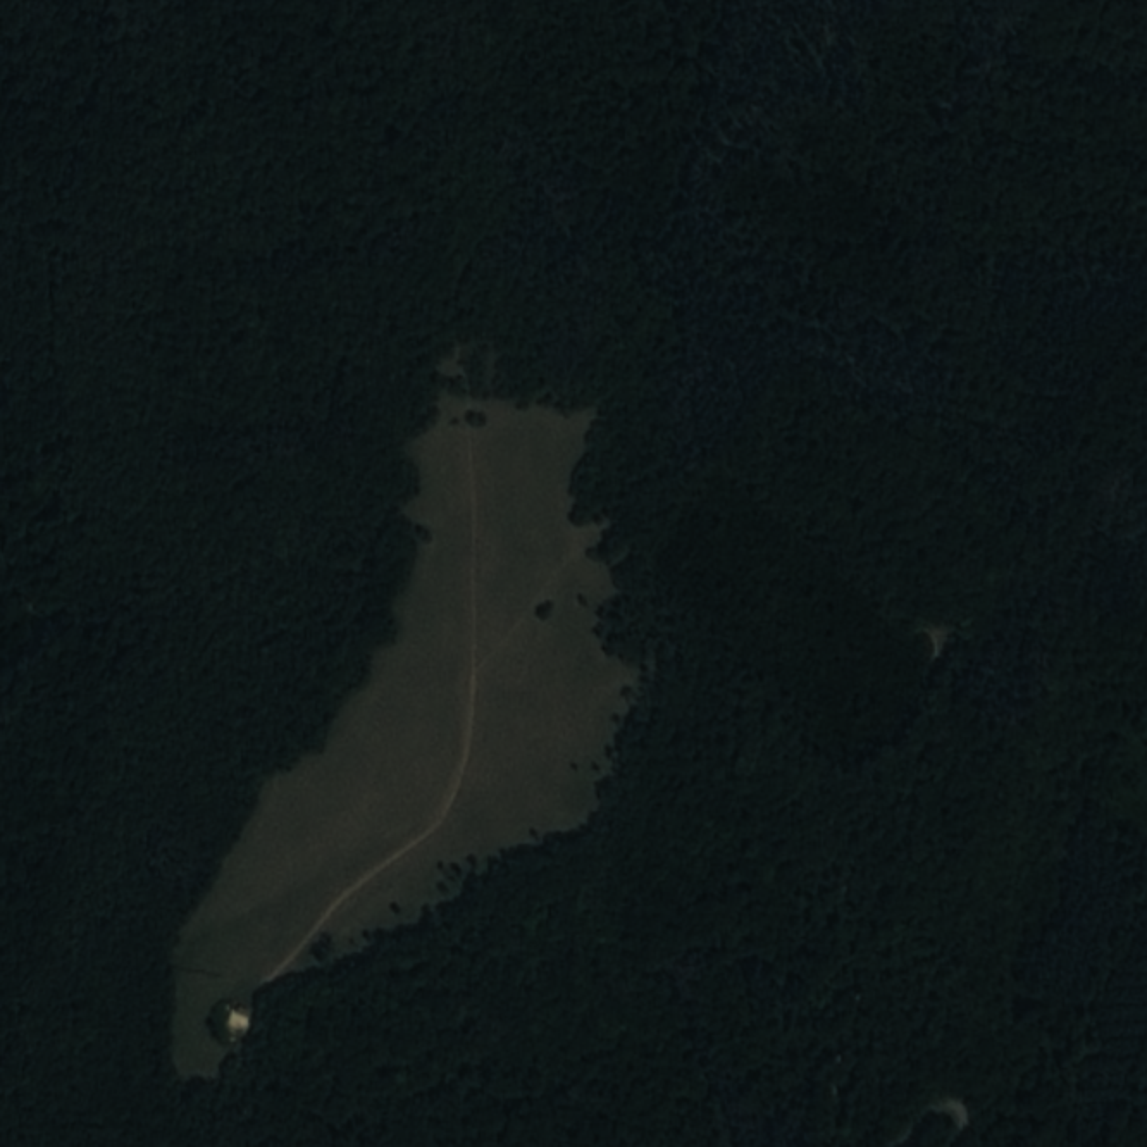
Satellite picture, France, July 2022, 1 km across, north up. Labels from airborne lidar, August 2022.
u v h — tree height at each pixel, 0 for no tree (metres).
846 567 19
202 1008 0
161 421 16
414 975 18
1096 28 19
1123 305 24
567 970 18
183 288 18
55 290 20
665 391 17
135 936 15
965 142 21
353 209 19
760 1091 18
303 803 0
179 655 16
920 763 21
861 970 17
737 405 19
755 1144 27
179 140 14
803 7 31
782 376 17
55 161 23
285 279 18
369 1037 13
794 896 17
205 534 18
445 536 0
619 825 16
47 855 22
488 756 0
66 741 17
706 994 20
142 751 11
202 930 0
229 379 18
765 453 15
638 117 19
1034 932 24
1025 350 20
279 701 17
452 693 0
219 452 20
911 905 16
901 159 13
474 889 16
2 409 23
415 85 18
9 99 20
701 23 20
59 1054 19
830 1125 21
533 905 16
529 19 16
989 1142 25
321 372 15
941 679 17
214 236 17
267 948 0
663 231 12
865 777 22
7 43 21
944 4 19
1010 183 19
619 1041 13
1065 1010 22
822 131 6
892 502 14
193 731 13
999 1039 19
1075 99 27
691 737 18
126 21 20
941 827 16
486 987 16
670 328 15
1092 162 19
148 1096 17
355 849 0
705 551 5
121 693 18
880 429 19
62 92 27
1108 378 15
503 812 0
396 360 15
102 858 12
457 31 18
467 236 14
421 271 14
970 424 15
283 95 22
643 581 14
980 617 17
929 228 10
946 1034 19
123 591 22
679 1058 13
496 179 12
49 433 21
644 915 18
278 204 19
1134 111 23
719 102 30
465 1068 16
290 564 17
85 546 18
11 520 19
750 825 17
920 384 29
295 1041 18
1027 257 13
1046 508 20
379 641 12
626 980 20
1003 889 17
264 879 0
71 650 19
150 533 17
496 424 0
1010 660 25
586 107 16
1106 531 21
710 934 18
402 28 20
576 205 14
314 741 10
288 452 15
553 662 0
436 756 0
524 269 18
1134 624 25
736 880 14
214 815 16
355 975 17
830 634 9
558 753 0
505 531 0
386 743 0
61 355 19
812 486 18
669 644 17
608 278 10
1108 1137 22
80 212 22
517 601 0
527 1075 19
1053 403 17
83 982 16
